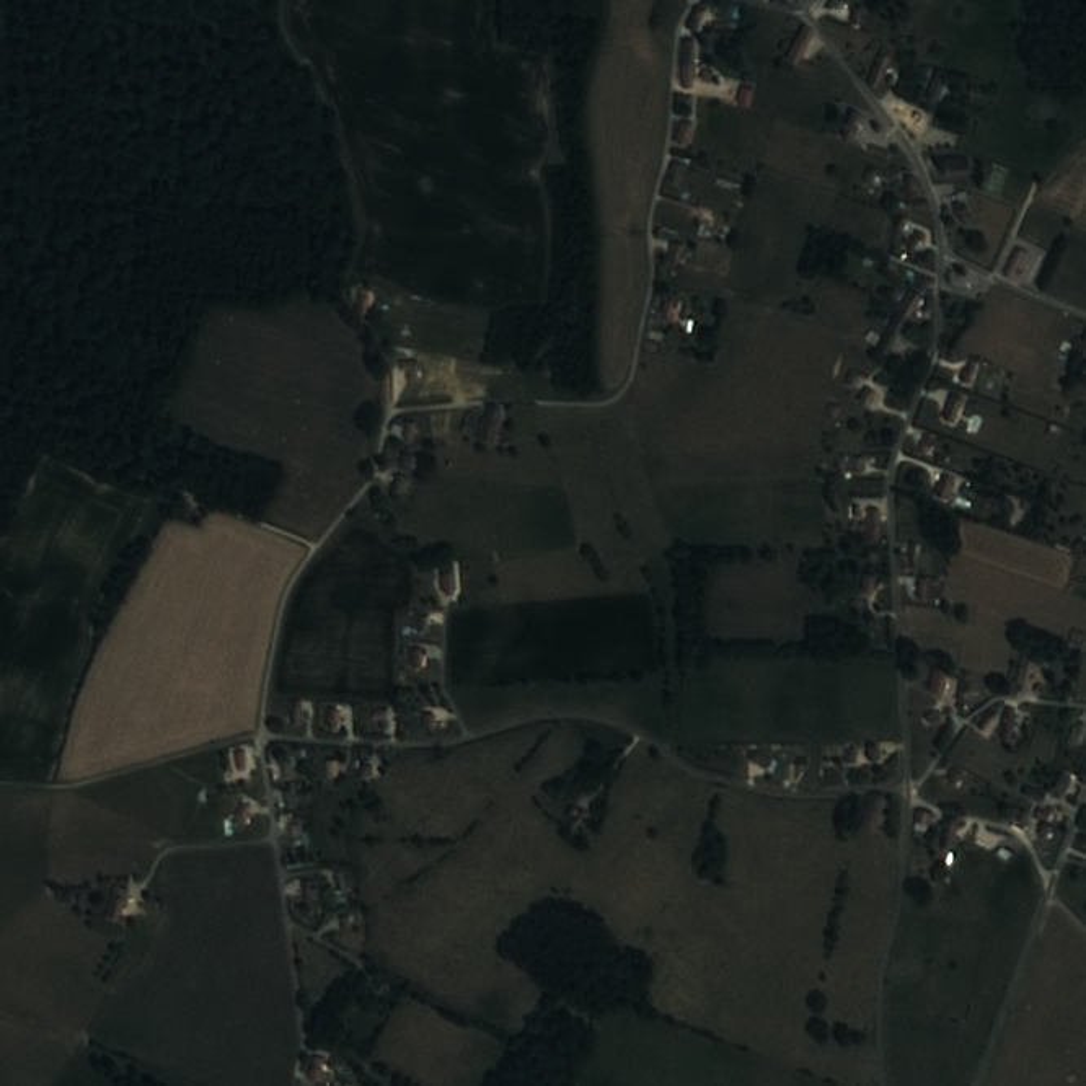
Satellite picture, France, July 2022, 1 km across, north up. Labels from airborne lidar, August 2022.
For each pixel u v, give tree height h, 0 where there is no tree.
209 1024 0
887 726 0
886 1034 0
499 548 0
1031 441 0
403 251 0
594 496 0
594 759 14
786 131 0
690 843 0
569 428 0
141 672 0
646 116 0
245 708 0
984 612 0
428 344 0
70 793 0
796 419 0
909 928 0
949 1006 0
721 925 0
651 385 0
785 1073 0
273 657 0
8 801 0
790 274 0
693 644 15
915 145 0
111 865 0
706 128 0
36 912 0
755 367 0
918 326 6
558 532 0
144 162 21
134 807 0
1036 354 0
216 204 18
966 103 10
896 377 11
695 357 6
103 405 18
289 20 0
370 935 0
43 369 15
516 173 0
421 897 0
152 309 18
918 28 0
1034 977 0
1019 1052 0
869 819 0
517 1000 0
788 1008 0
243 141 17
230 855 0
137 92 22
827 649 19
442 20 0
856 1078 0
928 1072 0
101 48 25
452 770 0
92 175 17
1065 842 0
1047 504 8
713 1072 0
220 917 0
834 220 0
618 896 0
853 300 0
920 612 0
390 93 0
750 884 0
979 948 0
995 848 0
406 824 0
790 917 0
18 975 0
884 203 11
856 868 0
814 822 0
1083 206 0
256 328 0
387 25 0
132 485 16
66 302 23
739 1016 0
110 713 0
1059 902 0
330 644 0
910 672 16
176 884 0
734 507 0
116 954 6
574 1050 27
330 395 0
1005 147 0
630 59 0
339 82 0
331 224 6
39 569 0
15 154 18
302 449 0
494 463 0
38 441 20
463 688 0
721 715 0
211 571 0
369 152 0
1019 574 0
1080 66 20
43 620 0
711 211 0
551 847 0
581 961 23
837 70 0
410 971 0
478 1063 0
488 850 0
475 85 0
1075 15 32
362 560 0
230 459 18
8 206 19
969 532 0
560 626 0
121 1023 0
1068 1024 0
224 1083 0
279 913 0
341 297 12
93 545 0
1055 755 0
